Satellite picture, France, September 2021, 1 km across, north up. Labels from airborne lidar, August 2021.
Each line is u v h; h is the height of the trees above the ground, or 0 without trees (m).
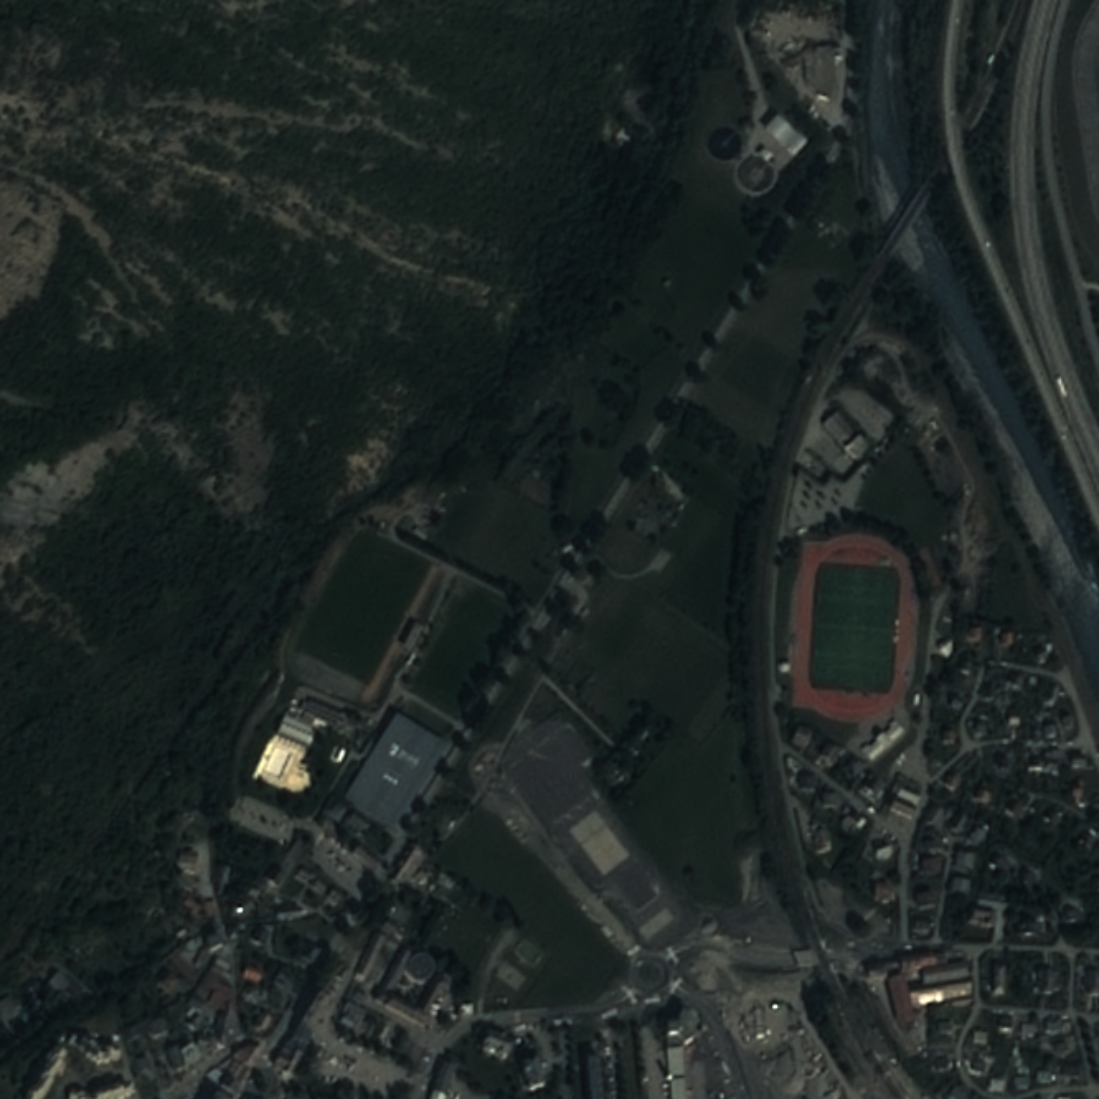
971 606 0
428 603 0
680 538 0
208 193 6
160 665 7
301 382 8
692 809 0
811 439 0
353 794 0
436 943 0
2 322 8
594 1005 0
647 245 19
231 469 6
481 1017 0
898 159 0
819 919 0
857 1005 0
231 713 16
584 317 15
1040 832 6
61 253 7
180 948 7
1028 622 0
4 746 13
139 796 11
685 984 0
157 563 10
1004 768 0
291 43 6
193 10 6
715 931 0
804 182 0
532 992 0
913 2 12
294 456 12
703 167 0
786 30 0
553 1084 8
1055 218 0
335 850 0
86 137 6
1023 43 0
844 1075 12
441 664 0
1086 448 0
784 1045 0
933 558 0
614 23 13
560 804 0
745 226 8
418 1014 0
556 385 0
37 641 8
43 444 13
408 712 0
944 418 0
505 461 10
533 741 0
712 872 0
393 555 0
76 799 6
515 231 9
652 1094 0
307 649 0
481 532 0
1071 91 0
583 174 13
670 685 0
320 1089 0
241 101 7
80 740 11
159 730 13
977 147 7
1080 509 6
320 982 17
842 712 0
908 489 0
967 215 0
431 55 8
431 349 9
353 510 12
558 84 15
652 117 15
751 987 0
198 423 9
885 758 0
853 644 0
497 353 10
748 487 6
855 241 0
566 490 14
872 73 0
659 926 0
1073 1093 0
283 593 6
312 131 7
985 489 0
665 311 0
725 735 0
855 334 0
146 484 8
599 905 0
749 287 16
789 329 0
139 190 7
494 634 0
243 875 8
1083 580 0
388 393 6
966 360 0
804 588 0
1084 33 0
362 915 18
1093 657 0
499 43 12
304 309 9
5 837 10
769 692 0
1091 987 0
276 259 7
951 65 0
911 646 0
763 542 0
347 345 8
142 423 6
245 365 7
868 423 0
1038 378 0
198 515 19
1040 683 6
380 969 0
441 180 9
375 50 7
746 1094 0
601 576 16
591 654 0
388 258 7
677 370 0
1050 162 0
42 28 12
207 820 16
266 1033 8
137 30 7
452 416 6
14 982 8
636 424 0
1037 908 6
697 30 11
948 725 0
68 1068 0
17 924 9
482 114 7
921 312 14
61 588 12
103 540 13
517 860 0
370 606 0
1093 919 7
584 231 18
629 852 0
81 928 16
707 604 0
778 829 0
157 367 6
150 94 6
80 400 10
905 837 0
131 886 8
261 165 9
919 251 0
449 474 7
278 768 0
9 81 6
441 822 0
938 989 0
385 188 7
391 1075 0
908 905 0
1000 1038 7
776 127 0
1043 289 0
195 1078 0
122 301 7
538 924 0
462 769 0
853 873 7
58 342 7
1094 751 0
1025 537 9
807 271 0
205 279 6
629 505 0
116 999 11
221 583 10
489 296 7
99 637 16
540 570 7
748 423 0
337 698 0
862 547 0
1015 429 0
